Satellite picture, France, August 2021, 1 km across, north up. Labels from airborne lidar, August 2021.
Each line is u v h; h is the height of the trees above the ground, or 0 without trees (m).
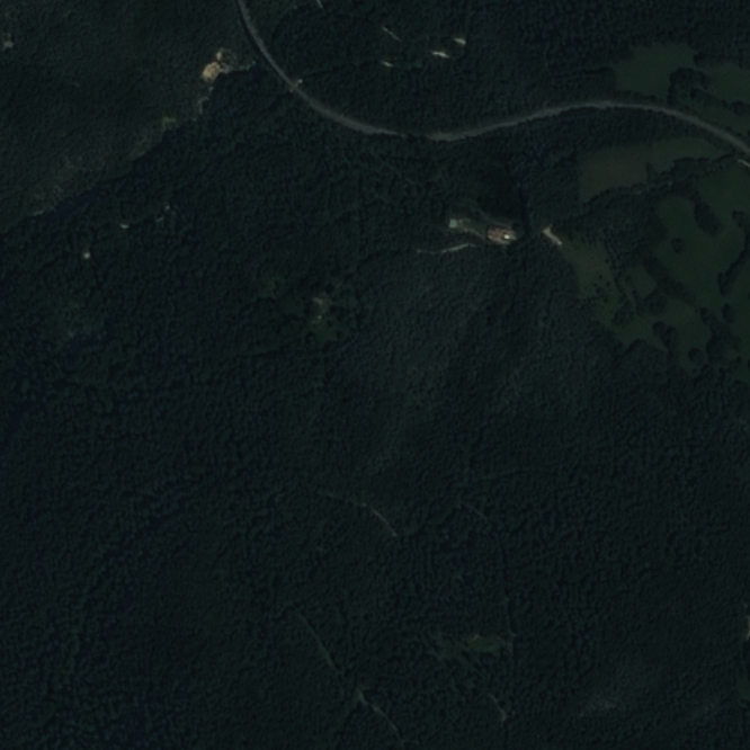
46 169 10
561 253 12
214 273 30
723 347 23
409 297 7
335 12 9
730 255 0
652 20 12
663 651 21
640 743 22
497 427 17
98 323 10
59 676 24
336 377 18
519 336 18
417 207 20
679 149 0
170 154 27
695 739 30
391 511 14
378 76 16
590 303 9
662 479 8
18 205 11
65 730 22
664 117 9
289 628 18
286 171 19
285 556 21
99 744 19
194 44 15
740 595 13
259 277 8
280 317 12
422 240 11
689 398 20
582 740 26
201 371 32
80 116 16
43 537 29
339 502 13
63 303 14
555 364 14
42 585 26
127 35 12
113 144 9
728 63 13
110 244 21
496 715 25
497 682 32
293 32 19
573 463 23
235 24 11
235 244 20
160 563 27
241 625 27
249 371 26
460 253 7
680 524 18
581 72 14
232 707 28
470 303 9
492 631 29
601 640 27
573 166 21
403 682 26
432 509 28
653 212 12
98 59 14
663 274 8
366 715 28
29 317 22
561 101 11
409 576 28
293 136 9
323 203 19
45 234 24
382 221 11
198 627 18
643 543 20
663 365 19
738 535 19
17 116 21
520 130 15
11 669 26
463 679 32
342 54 23
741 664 24
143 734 15
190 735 13
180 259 17
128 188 28
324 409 16
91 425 28
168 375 27
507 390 12
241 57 8
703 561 21
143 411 31
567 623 24
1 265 24
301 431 16
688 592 18
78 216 34
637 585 27
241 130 17
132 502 29
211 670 20
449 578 31
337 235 20
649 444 29
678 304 0
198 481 30
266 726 27
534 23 25
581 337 12
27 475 30
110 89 16
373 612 26
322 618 24
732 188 0
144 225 18
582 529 29
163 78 11
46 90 17
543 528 31
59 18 13
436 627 28
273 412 21
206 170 16
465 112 24
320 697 24
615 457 24
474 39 16
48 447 25
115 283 26
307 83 12
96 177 13
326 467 18
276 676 24
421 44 10
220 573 22
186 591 25
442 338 12
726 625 18
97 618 17
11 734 28
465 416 24
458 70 25
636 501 26
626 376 20
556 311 12
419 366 7
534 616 24
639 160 0
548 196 15
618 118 15
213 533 27
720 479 25
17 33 10
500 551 25
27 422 28
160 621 22
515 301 16
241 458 17
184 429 31
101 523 31
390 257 16
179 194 14
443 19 17
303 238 22
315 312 19
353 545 18
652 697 17
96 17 15
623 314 11
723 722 22
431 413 16
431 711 30
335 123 9
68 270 25
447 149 15
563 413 15
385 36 16
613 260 7
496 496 19
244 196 20
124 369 15
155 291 25
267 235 27
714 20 19
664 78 0
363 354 16
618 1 10
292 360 22
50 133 13
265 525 27
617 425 20
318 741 25
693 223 0
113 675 17
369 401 21
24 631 26
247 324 25
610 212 15
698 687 21
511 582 25
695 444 22
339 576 25
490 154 11
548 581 34
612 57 16
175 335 25
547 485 23
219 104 13
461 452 24
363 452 18
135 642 22
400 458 13
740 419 24
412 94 24
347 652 29
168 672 17
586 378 9
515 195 6
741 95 0
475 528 28
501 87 19
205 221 21
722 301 0
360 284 9
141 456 30
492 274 9
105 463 29
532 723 22
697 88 11
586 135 25
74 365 29
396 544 20
